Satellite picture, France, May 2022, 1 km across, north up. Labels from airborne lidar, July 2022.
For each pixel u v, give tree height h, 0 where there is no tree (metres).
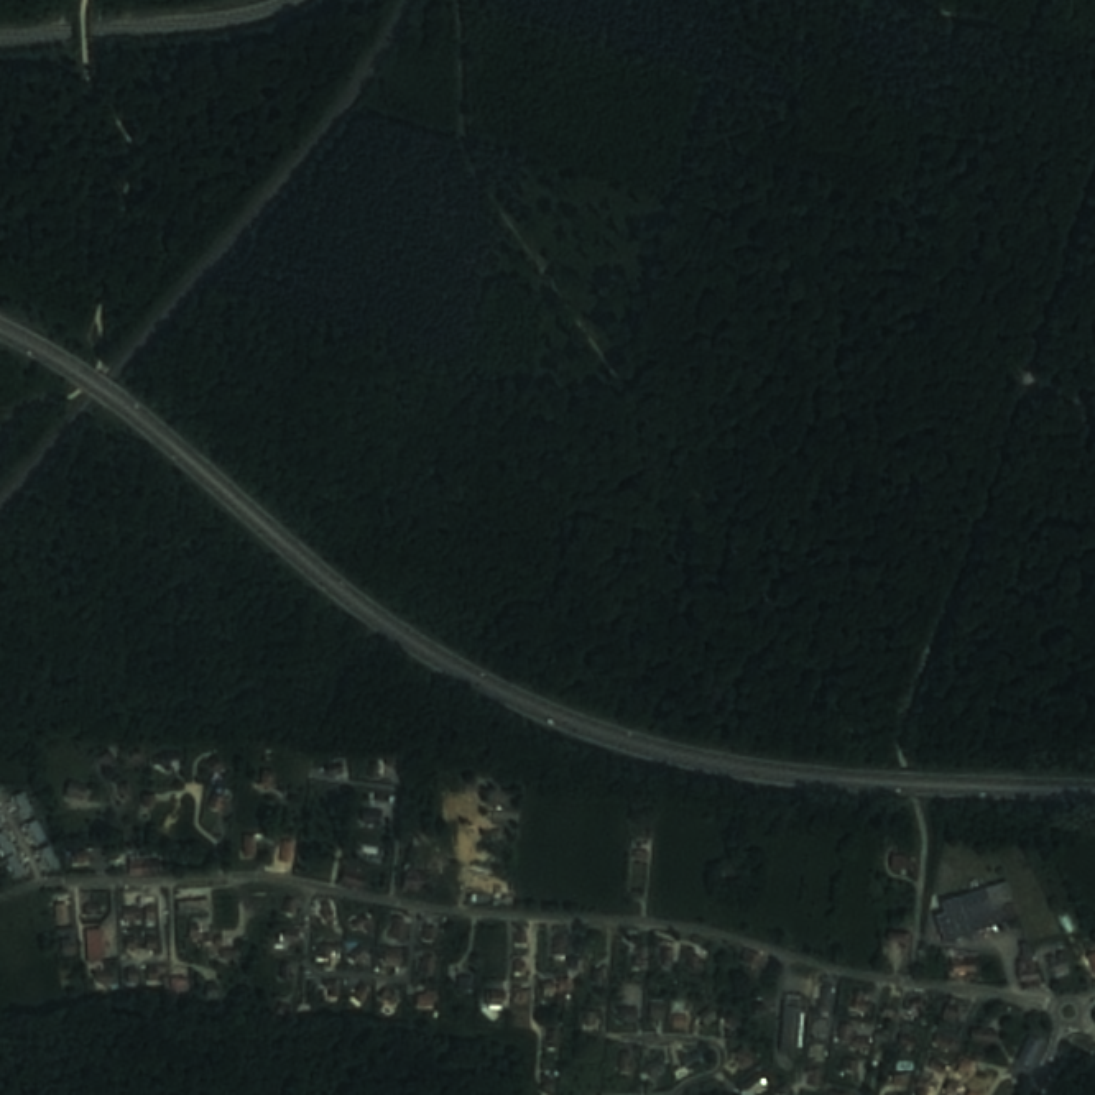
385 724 25
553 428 27
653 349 26
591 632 30
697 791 24
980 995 0
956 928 0
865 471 31
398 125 24
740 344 29
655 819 15
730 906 13
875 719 27
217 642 20
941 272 29
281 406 26
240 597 23
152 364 21
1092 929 13
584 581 33
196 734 18
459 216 23
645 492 29
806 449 33
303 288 18
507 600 22
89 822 6
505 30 11
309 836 16
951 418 27
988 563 31
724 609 28
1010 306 33
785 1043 0
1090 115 31
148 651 27
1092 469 31
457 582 23
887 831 26
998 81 25
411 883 0
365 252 27
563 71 10
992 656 28
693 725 30
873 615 31
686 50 22
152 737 16
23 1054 18
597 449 27
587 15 25
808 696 29
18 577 21
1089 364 29
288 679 18
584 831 0
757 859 16
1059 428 30
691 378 25
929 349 33
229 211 19
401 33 16
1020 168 31
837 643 30
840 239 30
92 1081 23
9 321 0
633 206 22
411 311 24
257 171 28
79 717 20
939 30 22
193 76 29
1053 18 26
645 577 34
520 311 20
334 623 17
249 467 22
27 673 20
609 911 0
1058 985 10
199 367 25
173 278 13
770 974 9
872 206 15
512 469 26
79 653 21
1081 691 27
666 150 8
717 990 7
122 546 22
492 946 0
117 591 24
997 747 14
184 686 23
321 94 24
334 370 28
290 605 24
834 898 9
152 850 9
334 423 24
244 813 0
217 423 25
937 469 30
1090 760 25
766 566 26
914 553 32
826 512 32
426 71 14
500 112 10
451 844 0
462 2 9
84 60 0
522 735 23
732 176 22
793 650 29
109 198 24
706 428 26
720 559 18
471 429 25
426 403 27
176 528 25
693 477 28
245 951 14
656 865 0
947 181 23
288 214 26
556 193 26
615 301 29
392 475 22
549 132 8
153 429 0
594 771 22
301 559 0
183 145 28
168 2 7
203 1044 24
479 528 20
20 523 24
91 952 0
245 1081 21
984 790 0
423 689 20
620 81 10
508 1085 21
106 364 14
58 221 28
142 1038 25
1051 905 8
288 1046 21
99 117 28
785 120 21
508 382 25
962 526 25
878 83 24
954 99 25
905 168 14
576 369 25
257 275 22
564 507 21
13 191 27
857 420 29
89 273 28
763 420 30
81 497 29
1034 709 24
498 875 10
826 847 0
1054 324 30
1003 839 7
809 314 30
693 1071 10
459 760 23
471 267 25
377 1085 26
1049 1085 27
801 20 27
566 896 0
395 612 9
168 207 23
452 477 26
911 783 0
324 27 30
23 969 0
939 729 25
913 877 7
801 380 30
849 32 28
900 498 26
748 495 32
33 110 27
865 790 0
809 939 0
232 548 20
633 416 23
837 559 31
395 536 22
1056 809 20
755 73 26
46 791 10
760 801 26
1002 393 32
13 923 0
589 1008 7
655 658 22
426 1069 27
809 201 27
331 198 22
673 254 29
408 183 25
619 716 28
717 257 29
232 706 21
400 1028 10
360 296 20
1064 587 33
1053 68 26
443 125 11
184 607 24
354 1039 18
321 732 17
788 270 23
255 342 24
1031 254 30
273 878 0
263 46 28
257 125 29
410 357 23
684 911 0
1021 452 30
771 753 19
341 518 26
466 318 25
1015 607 31
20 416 15
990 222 30
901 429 30
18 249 22
